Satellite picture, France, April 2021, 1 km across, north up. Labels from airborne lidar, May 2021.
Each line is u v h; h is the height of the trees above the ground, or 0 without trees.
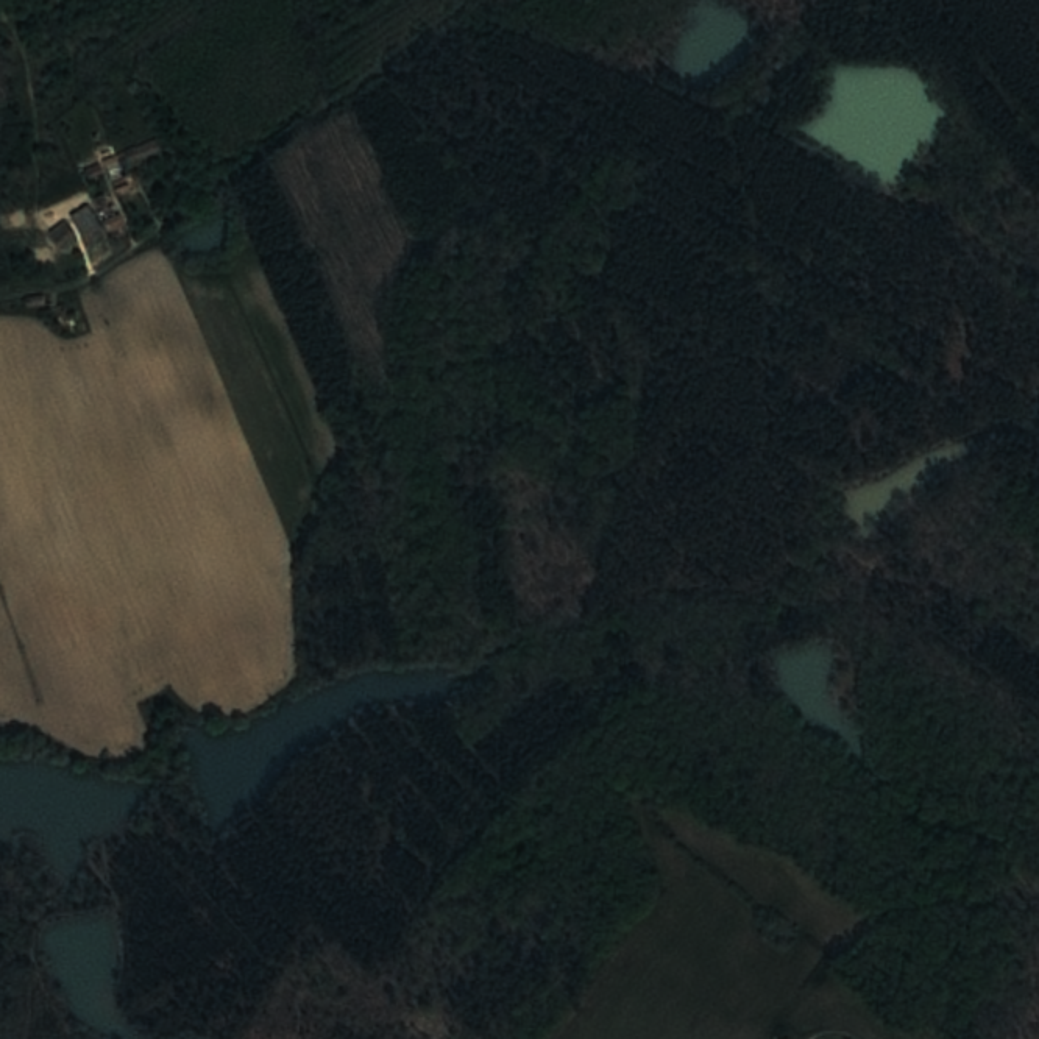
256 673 0
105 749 0
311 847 19
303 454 0
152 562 0
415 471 20
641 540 22
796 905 0
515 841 19
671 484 18
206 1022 14
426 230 10
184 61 15
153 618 0
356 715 10
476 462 16
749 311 24
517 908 19
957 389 25
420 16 11
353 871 22
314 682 12
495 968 15
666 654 10
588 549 15
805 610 15
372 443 17
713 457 18
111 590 0
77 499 0
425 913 13
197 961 9
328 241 19
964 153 16
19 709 0
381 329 18
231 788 0
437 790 19
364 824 24
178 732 18
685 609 18
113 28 12
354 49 15
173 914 10
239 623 0
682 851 6
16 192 7
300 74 15
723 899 0
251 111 14
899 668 19
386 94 11
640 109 20
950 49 18
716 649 16
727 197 20
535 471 17
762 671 16
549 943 15
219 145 14
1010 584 14
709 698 15
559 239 26
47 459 0
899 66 6
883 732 18
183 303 0
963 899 16
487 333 25
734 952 0
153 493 0
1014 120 21
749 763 18
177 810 18
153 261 0
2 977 6
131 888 6
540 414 28
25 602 0
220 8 16
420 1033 10
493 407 15
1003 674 18
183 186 11
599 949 18
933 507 15
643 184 16
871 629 19
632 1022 0
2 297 0
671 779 24
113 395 0
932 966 24
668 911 0
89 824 0
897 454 22
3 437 0
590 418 27
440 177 11
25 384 0
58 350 0
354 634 16
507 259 23
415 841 17
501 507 20
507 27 15
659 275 26
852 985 20
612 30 12
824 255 21
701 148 20
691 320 24
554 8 12
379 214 20
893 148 0
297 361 0
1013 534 17
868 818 23
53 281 12
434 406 10
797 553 24
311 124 11
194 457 0
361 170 23
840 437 21
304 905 18
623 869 20
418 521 22
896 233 19
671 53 7
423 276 24
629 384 23
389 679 0
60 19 7
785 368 7
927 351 17
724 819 22
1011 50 18
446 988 7
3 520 0
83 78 13
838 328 13
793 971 0
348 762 17
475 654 19
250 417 0
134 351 0
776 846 14
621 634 16
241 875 17
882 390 21
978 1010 18
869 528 11
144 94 7
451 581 16
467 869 19
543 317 27
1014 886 23
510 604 24
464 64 25
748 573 19
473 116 25
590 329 25
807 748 18
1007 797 21
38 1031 0
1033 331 22
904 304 20
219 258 9
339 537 12
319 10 14
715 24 0
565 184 29
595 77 20
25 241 0
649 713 21
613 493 25
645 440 24
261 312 0
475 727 17
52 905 8
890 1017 21
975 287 20
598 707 14
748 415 22
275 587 0
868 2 20
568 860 21
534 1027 17
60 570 0
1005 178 15
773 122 20
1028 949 23
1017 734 19
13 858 20
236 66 15
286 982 9
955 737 21
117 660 0
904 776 20
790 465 20
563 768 19
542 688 11
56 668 0
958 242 9
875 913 16
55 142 7
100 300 0
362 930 17
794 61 18
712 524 23
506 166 24
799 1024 0
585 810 20
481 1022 22
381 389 20
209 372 0
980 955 22
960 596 15
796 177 20
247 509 0
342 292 22
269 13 15
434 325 17
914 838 24
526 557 11
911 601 18
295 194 24
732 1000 0
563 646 18
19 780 0
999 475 16
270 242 19
